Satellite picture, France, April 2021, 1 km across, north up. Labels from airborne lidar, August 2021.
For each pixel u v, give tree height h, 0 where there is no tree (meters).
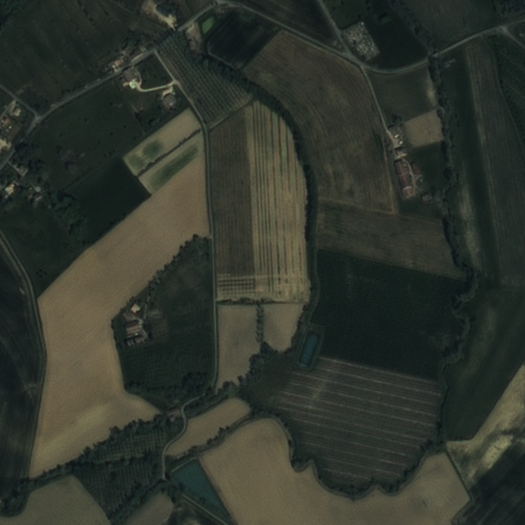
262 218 0
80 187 0
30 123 17
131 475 24
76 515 0
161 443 21
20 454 0
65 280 0
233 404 0
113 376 0
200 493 0
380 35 0
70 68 0
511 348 0
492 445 0
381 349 5
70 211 26
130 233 0
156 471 16
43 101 12
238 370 0
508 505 0
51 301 0
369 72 0
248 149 0
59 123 0
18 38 0
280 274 0
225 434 16
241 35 0
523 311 0
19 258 0
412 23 19
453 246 27
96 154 0
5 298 0
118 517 16
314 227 21
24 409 0
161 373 8
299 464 14
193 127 0
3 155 11
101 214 0
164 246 0
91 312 0
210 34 0
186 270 0
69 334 0
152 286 10
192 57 22
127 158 0
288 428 9
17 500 20
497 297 0
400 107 0
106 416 0
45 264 0
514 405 0
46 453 0
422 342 6
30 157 20
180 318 6
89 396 0
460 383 0
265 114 0
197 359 10
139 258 0
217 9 9
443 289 6
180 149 0
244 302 9
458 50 0
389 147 6
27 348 0
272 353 18
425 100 0
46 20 0
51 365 0
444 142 0
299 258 0
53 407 0
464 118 0
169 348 0
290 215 0
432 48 16
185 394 12
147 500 17
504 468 0
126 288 0
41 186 14
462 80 0
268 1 0
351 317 6
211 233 0
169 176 0
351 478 5
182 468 0
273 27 0
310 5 0
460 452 0
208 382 20
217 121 22
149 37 7
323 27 0
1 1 7
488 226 0
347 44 12
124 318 0
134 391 16
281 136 0
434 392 6
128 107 0
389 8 0
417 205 0
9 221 0
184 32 7
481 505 0
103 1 0
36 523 0
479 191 0
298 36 0
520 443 0
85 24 0
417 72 0
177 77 25
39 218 0
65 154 17
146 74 13
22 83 0
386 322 6
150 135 0
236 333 0
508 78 8
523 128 8
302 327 16
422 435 5
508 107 0
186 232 0
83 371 0
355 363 6
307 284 0
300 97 0
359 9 0
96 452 9
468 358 0
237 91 28
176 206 0
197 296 0
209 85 29
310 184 21
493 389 0
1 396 0
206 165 0
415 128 0
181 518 0
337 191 0
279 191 0
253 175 0
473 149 0
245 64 0
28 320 0
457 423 0
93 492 21
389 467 6
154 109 0
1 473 0
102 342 0
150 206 0
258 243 0
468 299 29
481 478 0
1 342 0
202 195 0
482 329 0
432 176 0
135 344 18
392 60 0
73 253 0
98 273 0
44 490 0
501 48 7
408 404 5
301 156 23
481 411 0
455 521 0
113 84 0
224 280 0
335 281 5
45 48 0
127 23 0
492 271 0
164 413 7
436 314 6
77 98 6
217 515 0
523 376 0
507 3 12
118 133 0
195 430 0
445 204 22
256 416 10
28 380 0
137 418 0
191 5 0
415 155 0
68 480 0
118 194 0
